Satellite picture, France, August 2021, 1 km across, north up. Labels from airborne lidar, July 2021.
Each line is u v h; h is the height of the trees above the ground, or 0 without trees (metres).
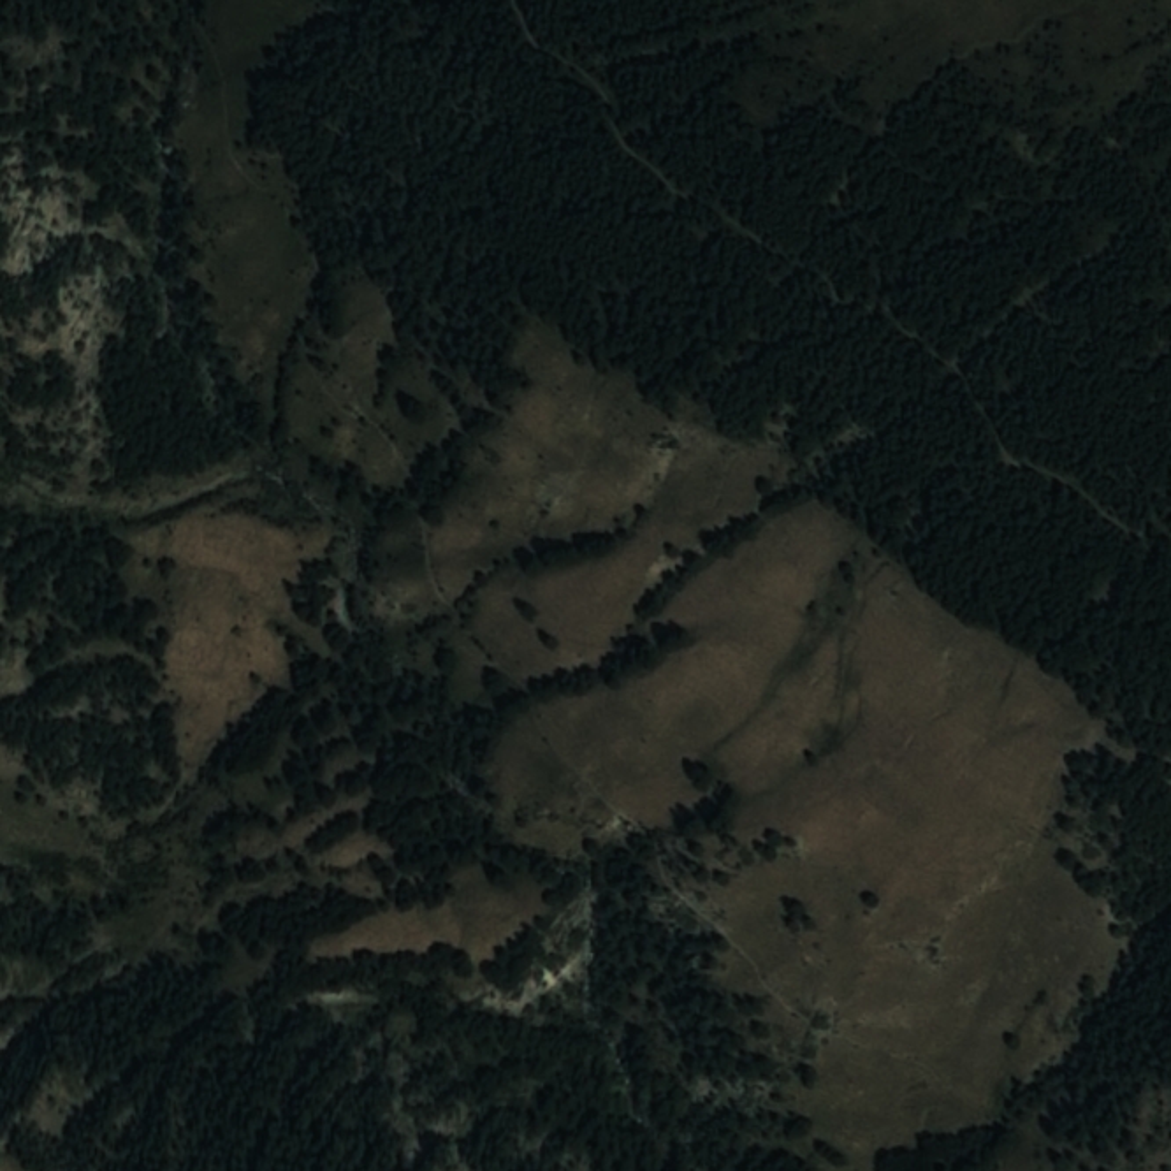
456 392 14
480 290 23
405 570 0
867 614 0
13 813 0
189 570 0
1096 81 0
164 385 22
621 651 23
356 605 14
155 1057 6
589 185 23
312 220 17
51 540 21
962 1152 26
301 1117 21
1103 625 21
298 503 6
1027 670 0
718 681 0
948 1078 0
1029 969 0
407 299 25
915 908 0
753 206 18
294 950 23
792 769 0
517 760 0
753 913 0
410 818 19
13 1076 10
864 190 16
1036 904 0
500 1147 14
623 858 15
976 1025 0
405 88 18
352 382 0
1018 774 0
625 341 24
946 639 0
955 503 20
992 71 0
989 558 24
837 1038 0
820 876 0
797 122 9
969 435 22
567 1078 9
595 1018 7
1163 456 12
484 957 0
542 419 0
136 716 11
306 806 15
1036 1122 0
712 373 24
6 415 11
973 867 0
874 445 16
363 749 22
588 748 0
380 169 18
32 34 12
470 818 12
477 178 26
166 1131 14
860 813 0
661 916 7
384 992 10
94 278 8
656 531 0
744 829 0
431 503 19
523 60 14
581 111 24
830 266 16
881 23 0
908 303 16
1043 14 0
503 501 0
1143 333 15
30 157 14
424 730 6
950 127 9
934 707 0
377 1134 11
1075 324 10
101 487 14
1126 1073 9
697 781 21
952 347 16
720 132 14
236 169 0
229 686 0
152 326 17
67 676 6
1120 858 15
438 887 10
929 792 0
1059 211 13
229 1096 14
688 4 17
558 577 0
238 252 0
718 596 0
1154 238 10
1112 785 23
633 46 15
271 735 17
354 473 20
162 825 8
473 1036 20
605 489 0
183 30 19
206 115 0
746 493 0
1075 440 9
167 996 17
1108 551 25
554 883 25
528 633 0
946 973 0
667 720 0
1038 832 0
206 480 0
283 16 0
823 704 0
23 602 21
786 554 0
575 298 21
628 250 19
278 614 0
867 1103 0
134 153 14
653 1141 25
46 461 10
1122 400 16
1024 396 16
